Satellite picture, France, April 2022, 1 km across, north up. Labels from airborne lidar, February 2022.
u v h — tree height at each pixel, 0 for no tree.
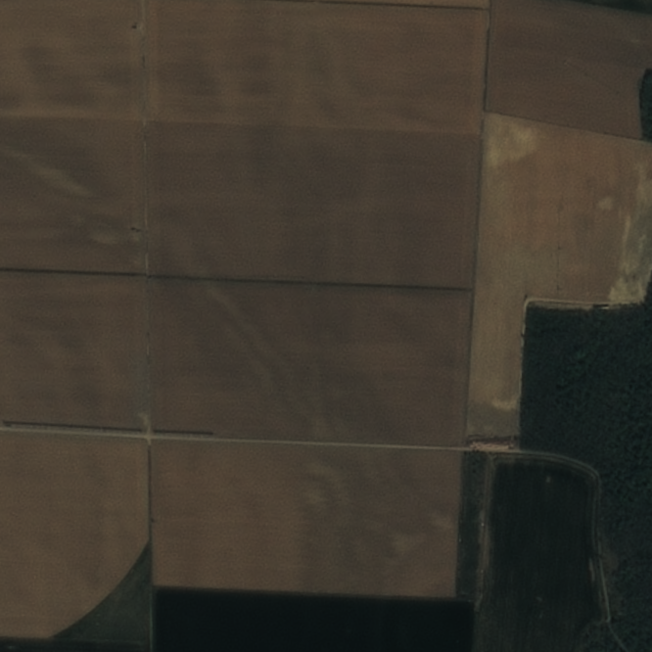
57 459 0
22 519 0
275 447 0
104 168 0
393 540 0
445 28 0
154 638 0
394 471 0
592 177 0
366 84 0
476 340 0
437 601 0
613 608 0
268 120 0
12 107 0
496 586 0
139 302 0
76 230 0
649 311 13
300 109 0
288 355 0
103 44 0
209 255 0
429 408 0
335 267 0
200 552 0
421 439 0
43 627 0
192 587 0
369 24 0
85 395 0
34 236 0
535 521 0
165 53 0
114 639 0
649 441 9
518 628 0
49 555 0
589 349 15
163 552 0
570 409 16
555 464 0
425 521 0
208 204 0
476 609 0
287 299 0
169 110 0
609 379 13
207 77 0
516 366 0
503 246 0
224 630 0
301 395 0
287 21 0
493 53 0
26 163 0
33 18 0
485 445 0
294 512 0
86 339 0
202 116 0
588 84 0
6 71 0
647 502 14
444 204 0
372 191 0
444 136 0
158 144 0
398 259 0
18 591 0
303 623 0
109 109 0
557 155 0
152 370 0
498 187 0
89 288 0
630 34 0
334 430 0
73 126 0
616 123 0
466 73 0
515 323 0
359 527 0
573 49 0
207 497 0
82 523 0
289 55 0
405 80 0
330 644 0
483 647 0
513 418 0
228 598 0
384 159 0
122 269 0
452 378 0
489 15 0
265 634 0
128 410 0
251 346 0
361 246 0
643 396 13
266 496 0
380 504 0
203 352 0
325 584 0
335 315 0
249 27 0
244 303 0
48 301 0
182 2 0
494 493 0
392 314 0
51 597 0
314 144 0
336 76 0
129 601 0
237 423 0
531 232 0
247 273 0
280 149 0
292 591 0
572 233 0
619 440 14
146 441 0
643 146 0
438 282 0
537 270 0
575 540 0
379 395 0
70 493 0
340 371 0
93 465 0
